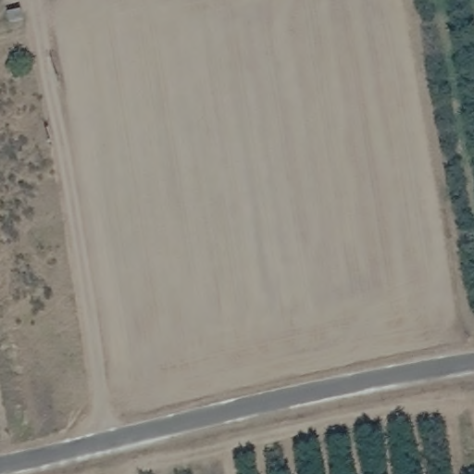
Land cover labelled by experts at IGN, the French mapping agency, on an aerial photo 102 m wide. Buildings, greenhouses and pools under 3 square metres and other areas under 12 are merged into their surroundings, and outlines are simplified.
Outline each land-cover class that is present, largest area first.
<instances>
[{"label":"agricultural land","instance_id":"1","mask_svg":"<svg viewBox=\"0 0 474 474\"><path fill-rule=\"evenodd\" d=\"M422 20L413 0H81L80 17L69 30L57 33V43L61 70L69 87V109L74 135L80 141L85 133L94 130L96 137V157L100 170L98 187L102 191L106 206L104 233L107 248L111 250L115 261L113 276L124 309L128 333V359L117 363L111 361V378H106L109 404L113 407V415L120 418L122 428L178 417L183 413L218 405L233 404L243 398L278 393L309 383L350 378L365 372L405 367L455 355L474 354V331H470V337H463L452 326L455 320V307L452 278L444 246L441 198L433 178L430 143L426 131L435 120L424 69V46L420 28ZM6 409L2 405L0 393V457L65 443L56 433L20 444L13 443V435L6 431Z\"/></svg>","mask_w":474,"mask_h":474},{"label":"herbaceous vegetation","instance_id":"2","mask_svg":"<svg viewBox=\"0 0 474 474\"><path fill-rule=\"evenodd\" d=\"M7 4L4 0H0V78L15 80L17 83V94L4 93V100H11L13 106L6 107V113H0V133L4 131V124L9 122L13 139H19V135H26L28 143L22 146L17 156L28 163L50 157L54 139L50 137L48 117L44 115L39 70L33 67L24 76H15L6 67L7 54L15 44L30 50L35 44V37L33 31L26 26L28 15L7 19L4 11ZM446 15L437 13L433 20H422L420 28L437 26L443 56L452 54V39L446 26ZM426 131L430 143L433 178L441 198L444 246L452 278L455 307V320L452 326L463 337H470V331H474V313L468 306L467 289L463 285V274L459 267V231L455 226L454 209L446 187V159L441 152L435 120ZM467 178L468 207L474 215V172L465 143L457 141L455 144ZM19 180L31 183L35 193L33 198H28V206L33 207V217L15 222L19 239H11L0 228V393L2 405L6 409V431L13 435V443L20 444L56 433L65 428V424L78 430L81 420L91 413L93 396L89 391V370L85 367L83 359L85 350L81 337L78 302L72 283L69 252L65 244L67 217L61 207L63 185L61 174L52 165L33 172L28 168H22L15 176ZM15 254L30 256L31 270L52 289L50 298L44 296L43 287L26 285L11 272ZM400 417L404 418L405 422L411 418V430L418 452L424 450L418 422H441L444 418L452 474H474V370L424 380L398 381L352 393L335 394L2 474H237L233 457L254 450L259 474H267L265 448L274 443L281 444L283 457L287 459V467L291 474H298L293 443L300 444L317 437L324 474H331L326 433L348 435L355 474H361L363 468L355 443L354 426L376 428L381 424V431H387V420L394 422Z\"/></svg>","mask_w":474,"mask_h":474},{"label":"deciduous trees","instance_id":"3","mask_svg":"<svg viewBox=\"0 0 474 474\"><path fill-rule=\"evenodd\" d=\"M422 20H433L437 13L446 15V26L452 39V54L443 56L437 26L420 28L424 46V69L435 120L441 152L446 159V187L454 209L455 226L459 231V267L463 274V285L467 289L468 306L474 313V215L468 207L467 178L455 144L457 141L465 143L474 172V0H413ZM35 56L30 50L15 44L7 54L6 67L15 76H24L33 67ZM355 443L363 468L361 474H452L444 418L441 422H418L424 450L418 452L411 430V418L405 422L404 418L400 417L394 422L387 420V431H381V424L376 428L354 426ZM331 474H355L348 435L326 433ZM298 474H324L317 437L300 444L293 443ZM267 474H291L287 467V459L283 457L281 444L274 443L265 448ZM237 474H259L254 450L233 457Z\"/></svg>","mask_w":474,"mask_h":474},{"label":"pervious surface","instance_id":"4","mask_svg":"<svg viewBox=\"0 0 474 474\"><path fill-rule=\"evenodd\" d=\"M7 4L4 11L7 19L28 15L26 26L33 31L35 37V44L30 50L35 56L33 67L39 70L44 115L48 117L50 137L54 139L50 157L52 165L61 174L63 185L61 207L67 217L65 244L69 252L72 283L78 302L81 337L85 350L83 359L85 367L89 370V391L93 396L91 413L81 420L78 430L65 424V428L56 433L65 443L122 428L120 418L113 415V407L109 404L106 378H111V361L117 363L128 359V333L124 309L113 276L115 261L111 250L107 248L104 233L106 206L102 191L98 187L100 170L96 157V137L94 130L85 133L80 141L74 135L69 109V87L61 70L57 43V33L69 30L80 17L81 0H4Z\"/></svg>","mask_w":474,"mask_h":474},{"label":"impervious surface","instance_id":"5","mask_svg":"<svg viewBox=\"0 0 474 474\"><path fill-rule=\"evenodd\" d=\"M474 370V354L455 355L405 367L365 372L350 378L309 383L278 393L243 398L233 404L218 405L183 413L178 417L122 428L65 443L0 457V474H2L335 394L352 393L398 381L424 380Z\"/></svg>","mask_w":474,"mask_h":474},{"label":"brushwood","instance_id":"6","mask_svg":"<svg viewBox=\"0 0 474 474\"><path fill-rule=\"evenodd\" d=\"M4 93L17 94V83L15 80L0 78V113H6V107L13 106L11 100H4ZM28 143L26 135H19V139H13L9 122L4 124V131L0 133V228L11 239H19L15 222L33 217V207L28 206V198H33L35 193L31 183L19 180L15 176L22 168H28L33 172L52 165L50 157L28 163L17 156L22 146ZM11 272L26 285L43 287L44 296L50 298L52 289L31 270L30 256L15 254Z\"/></svg>","mask_w":474,"mask_h":474}]
</instances>
